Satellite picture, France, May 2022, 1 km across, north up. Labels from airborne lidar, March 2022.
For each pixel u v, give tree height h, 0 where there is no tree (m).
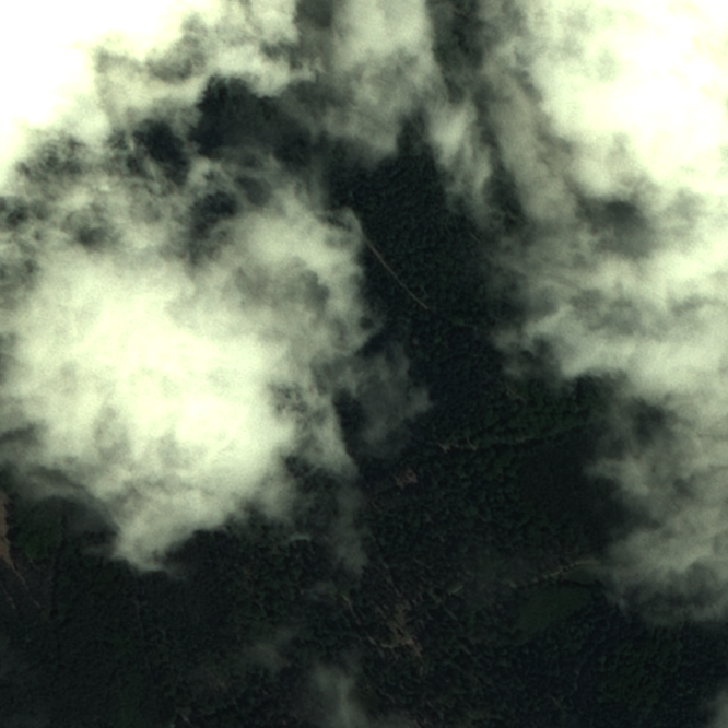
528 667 31
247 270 25
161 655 25
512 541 33
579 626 29
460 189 21
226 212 12
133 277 24
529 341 17
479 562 32
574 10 6
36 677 24
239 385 16
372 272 22
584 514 23
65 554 17
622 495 23
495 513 27
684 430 20
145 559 18
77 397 21
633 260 16
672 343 19
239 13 17
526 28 16
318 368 20
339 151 15
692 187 9
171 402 25
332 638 28
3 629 19
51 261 20
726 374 20
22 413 23
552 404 27
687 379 15
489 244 12
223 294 20
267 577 30
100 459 18
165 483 26
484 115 17
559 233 19
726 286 12
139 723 22
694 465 22
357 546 28
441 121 21
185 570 19
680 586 27
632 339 18
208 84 21
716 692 22
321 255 30
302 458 10
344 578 34
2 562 24
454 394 25
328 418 14
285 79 12
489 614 32
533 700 25
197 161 23
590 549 22
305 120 17
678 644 25
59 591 22
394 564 28
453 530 26
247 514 28
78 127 19
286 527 14
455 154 18
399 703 34
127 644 23
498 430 20
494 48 17
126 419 22
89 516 27
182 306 21
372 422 26
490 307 20
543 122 15
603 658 25
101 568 19
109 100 15
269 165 25
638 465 20
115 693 26
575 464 23
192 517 22
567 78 16
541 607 22
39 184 21
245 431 28
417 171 22
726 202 11
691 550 19
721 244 22
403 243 18
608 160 19
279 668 13
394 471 27
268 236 26
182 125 23
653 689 23
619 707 28
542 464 22
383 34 21
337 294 19
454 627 38
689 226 16
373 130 25
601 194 11
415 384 27
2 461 23
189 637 22
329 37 19
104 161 18
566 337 25
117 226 24
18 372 22
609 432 22
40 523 26
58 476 23
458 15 13
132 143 23
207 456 28
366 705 0
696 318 14
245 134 24
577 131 17
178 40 21
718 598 26
